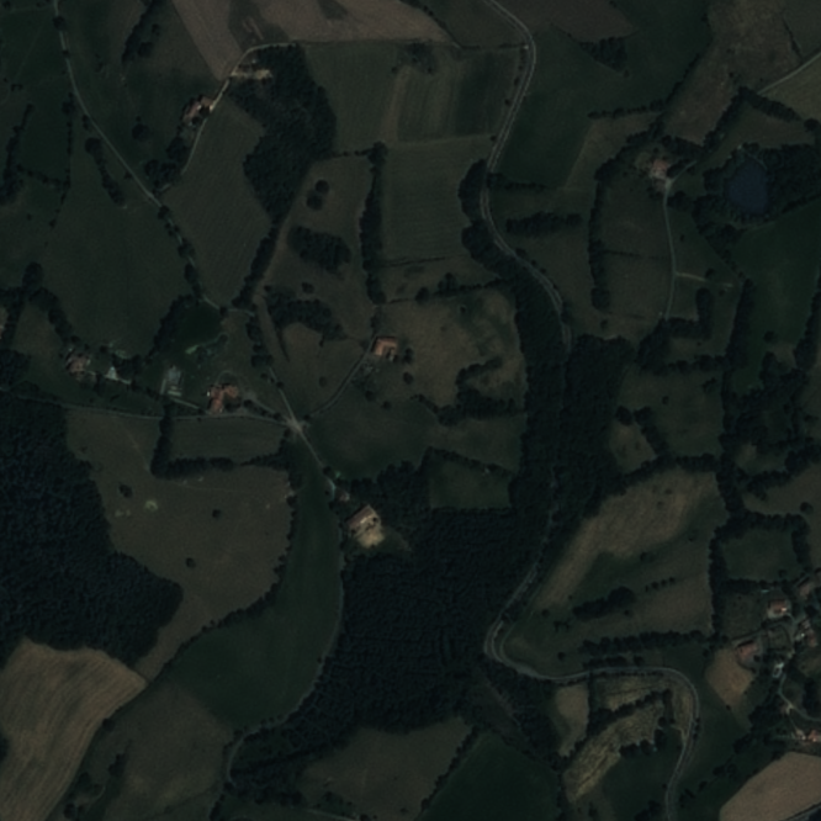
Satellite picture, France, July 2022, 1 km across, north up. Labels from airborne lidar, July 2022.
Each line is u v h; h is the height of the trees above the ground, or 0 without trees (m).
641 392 0
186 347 0
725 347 0
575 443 24
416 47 7
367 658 20
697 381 0
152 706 0
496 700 0
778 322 0
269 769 24
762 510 0
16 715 0
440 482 0
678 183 0
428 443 0
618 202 0
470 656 17
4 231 0
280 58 10
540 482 13
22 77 0
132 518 0
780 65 0
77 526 17
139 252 0
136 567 22
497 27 0
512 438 0
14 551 27
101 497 11
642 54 0
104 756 0
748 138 0
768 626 11
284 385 8
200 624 0
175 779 0
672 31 0
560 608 0
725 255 10
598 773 0
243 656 0
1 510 21
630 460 0
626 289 0
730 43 0
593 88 0
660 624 0
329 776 0
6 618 24
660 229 0
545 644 0
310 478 0
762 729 13
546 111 0
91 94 0
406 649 18
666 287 0
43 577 15
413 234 0
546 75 0
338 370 0
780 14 0
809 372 19
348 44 0
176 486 0
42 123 0
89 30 0
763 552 0
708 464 18
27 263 0
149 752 0
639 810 0
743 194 0
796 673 21
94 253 0
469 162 0
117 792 0
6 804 0
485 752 0
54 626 20
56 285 0
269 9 0
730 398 17
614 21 0
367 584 21
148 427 0
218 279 0
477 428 0
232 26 0
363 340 0
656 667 0
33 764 0
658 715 0
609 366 26
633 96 0
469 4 0
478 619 22
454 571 20
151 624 16
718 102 0
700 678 0
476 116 0
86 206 0
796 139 0
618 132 0
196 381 0
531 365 6
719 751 0
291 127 6
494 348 0
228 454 0
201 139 0
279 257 0
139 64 0
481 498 0
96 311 0
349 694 22
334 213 0
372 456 0
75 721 0
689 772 0
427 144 0
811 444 11
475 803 0
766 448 19
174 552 0
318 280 0
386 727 16
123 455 0
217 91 0
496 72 0
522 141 0
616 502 0
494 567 13
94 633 15
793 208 14
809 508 13
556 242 0
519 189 10
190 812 0
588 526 0
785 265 0
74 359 0
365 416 0
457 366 0
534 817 0
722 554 14
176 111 0
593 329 0
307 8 0
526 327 13
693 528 0
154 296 0
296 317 8
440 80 0
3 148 0
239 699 0
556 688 12
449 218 0
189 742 0
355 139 0
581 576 0
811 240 0
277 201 9
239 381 0
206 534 0
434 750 0
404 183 0
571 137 0
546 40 0
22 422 18
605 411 17
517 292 12
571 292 0
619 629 0
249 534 0
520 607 13
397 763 0
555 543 19
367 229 18
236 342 0
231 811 0
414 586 22
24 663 0
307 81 10
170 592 16
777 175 23
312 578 0
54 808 0
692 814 0
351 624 13
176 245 0
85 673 0
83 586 17
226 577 0
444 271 0
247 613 11
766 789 0
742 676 0
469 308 0
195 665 0
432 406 10
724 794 0
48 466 20
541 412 26
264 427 0
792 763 0
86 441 0
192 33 0
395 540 0
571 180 0
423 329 0
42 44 0
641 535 0
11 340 7
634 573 0
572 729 0
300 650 0
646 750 16
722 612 10
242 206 0
